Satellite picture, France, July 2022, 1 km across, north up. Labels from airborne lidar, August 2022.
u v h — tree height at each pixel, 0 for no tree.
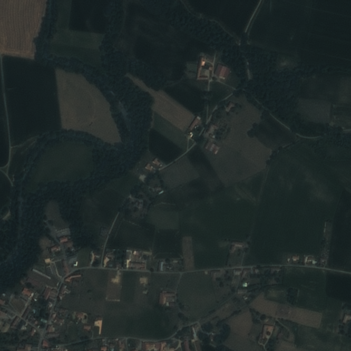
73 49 0
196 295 0
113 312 0
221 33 19
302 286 0
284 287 0
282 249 0
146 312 0
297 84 29
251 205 0
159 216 0
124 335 0
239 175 0
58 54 0
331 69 12
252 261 0
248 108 0
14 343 9
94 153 15
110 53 16
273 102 30
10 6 0
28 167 13
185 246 0
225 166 0
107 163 27
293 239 0
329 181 0
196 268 0
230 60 25
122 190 0
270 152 0
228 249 0
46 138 19
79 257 0
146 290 0
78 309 0
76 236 24
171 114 0
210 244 0
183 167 0
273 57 11
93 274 0
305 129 11
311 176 0
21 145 0
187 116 0
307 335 0
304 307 0
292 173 0
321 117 0
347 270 0
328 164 0
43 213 9
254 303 0
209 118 0
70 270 0
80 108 0
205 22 15
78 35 0
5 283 16
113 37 15
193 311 0
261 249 0
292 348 0
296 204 0
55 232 0
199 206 0
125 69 20
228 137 0
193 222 0
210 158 0
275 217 0
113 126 0
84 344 6
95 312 0
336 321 0
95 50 0
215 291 0
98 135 0
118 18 6
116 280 0
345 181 0
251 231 0
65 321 0
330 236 0
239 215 0
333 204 0
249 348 0
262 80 30
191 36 13
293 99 27
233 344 0
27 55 0
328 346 0
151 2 30
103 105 0
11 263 12
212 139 0
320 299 0
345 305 10
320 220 0
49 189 18
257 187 0
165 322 0
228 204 0
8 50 0
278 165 0
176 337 6
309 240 0
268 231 0
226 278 7
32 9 0
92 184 25
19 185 30
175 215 0
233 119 0
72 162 0
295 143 11
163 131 0
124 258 8
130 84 21
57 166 0
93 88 0
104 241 0
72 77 0
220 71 0
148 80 29
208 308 0
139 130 33
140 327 0
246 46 12
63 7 0
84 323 0
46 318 7
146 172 0
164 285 0
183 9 20
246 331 0
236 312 7
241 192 0
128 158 12
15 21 0
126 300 0
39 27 0
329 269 0
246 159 0
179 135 0
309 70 25
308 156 0
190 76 0
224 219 0
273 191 0
